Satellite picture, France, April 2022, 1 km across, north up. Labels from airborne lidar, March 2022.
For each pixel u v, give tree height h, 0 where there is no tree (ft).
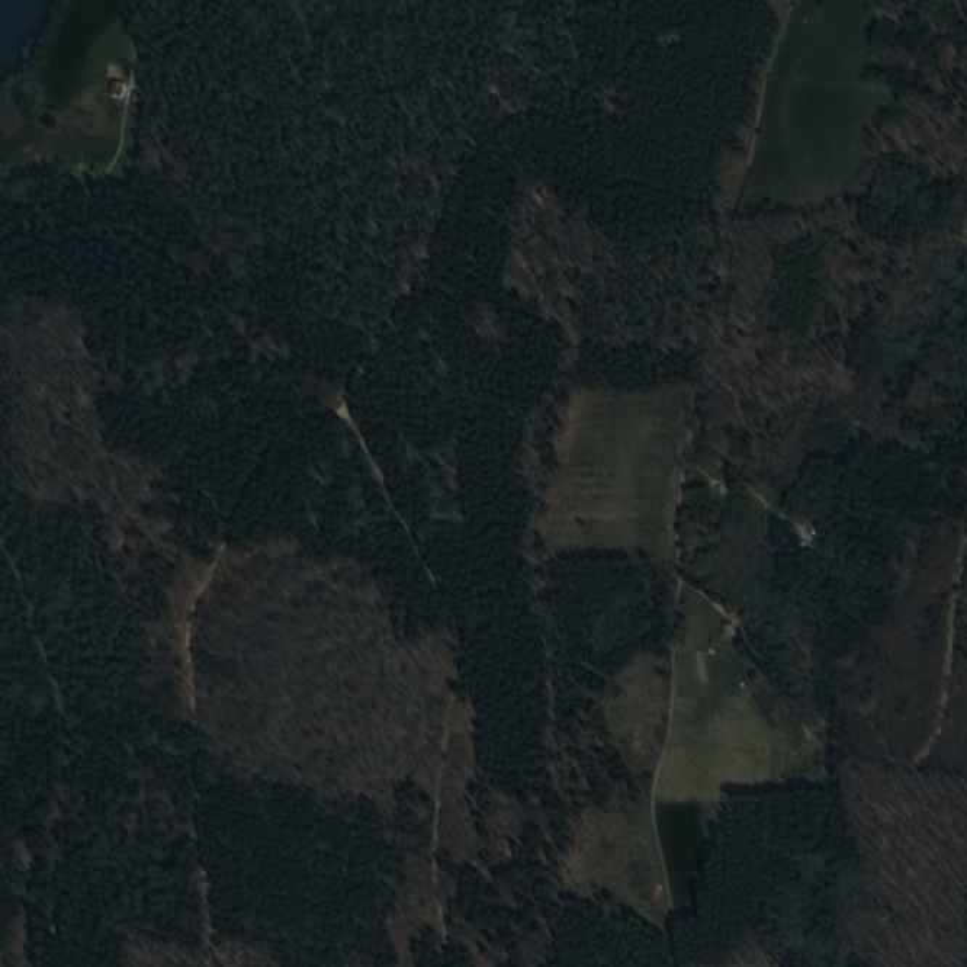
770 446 70
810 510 79
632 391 103
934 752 23
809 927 68
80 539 55
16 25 0
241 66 85
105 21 0
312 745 57
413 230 80
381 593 63
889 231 62
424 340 88
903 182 57
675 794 0
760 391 107
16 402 77
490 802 97
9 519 85
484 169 86
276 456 87
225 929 51
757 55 91
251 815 44
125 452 74
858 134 0
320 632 64
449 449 71
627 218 110
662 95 98
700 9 90
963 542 33
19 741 90
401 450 94
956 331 78
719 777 0
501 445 90
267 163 64
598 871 0
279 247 106
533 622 93
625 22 89
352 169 96
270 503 67
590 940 74
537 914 106
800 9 0
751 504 61
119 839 61
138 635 35
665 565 24
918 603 28
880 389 77
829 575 73
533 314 64
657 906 0
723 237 88
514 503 86
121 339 86
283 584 62
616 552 0
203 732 73
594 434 0
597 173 102
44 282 78
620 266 97
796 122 0
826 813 106
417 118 41
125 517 68
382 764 73
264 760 52
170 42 110
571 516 0
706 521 48
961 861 86
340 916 52
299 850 45
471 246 84
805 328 75
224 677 27
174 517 85
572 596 87
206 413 93
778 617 58
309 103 97
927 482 73
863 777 90
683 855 0
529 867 87
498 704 100
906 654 41
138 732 47
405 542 101
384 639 65
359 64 84
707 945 114
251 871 46
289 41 99
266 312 98
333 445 91
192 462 73
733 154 90
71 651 80
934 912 82
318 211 93
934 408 32
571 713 28
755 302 79
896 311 60
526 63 81
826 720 54
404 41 93
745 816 102
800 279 78
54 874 81
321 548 75
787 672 47
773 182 0
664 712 0
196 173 91
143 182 74
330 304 96
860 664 35
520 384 97
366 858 45
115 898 24
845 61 0
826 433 21
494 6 84
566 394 56
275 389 95
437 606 102
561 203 79
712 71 97
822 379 104
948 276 26
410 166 100
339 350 88
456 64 93
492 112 84
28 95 77
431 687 73
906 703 24
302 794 48
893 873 96
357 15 74
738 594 55
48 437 74
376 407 87
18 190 90
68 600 61
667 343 90
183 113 96
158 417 77
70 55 0
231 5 92
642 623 93
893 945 87
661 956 104
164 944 46
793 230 96
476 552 102
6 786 71
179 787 63
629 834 0
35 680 52
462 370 76
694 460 67
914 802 86
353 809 50
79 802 41
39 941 87
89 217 92
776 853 102
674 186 99
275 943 45
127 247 111
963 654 27
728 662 0
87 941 74
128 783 63
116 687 89
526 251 96
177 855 59
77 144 0
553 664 82
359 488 85
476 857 34
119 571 61
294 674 67
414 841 17
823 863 79
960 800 97
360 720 72
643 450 0
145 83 42
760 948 106
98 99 0
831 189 0
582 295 117
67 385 78
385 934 52
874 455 77
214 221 108
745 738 0
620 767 37
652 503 0
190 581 53
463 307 75
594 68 98
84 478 77
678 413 0
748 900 105
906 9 104
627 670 106
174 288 87
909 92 58
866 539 91
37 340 74
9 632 90
